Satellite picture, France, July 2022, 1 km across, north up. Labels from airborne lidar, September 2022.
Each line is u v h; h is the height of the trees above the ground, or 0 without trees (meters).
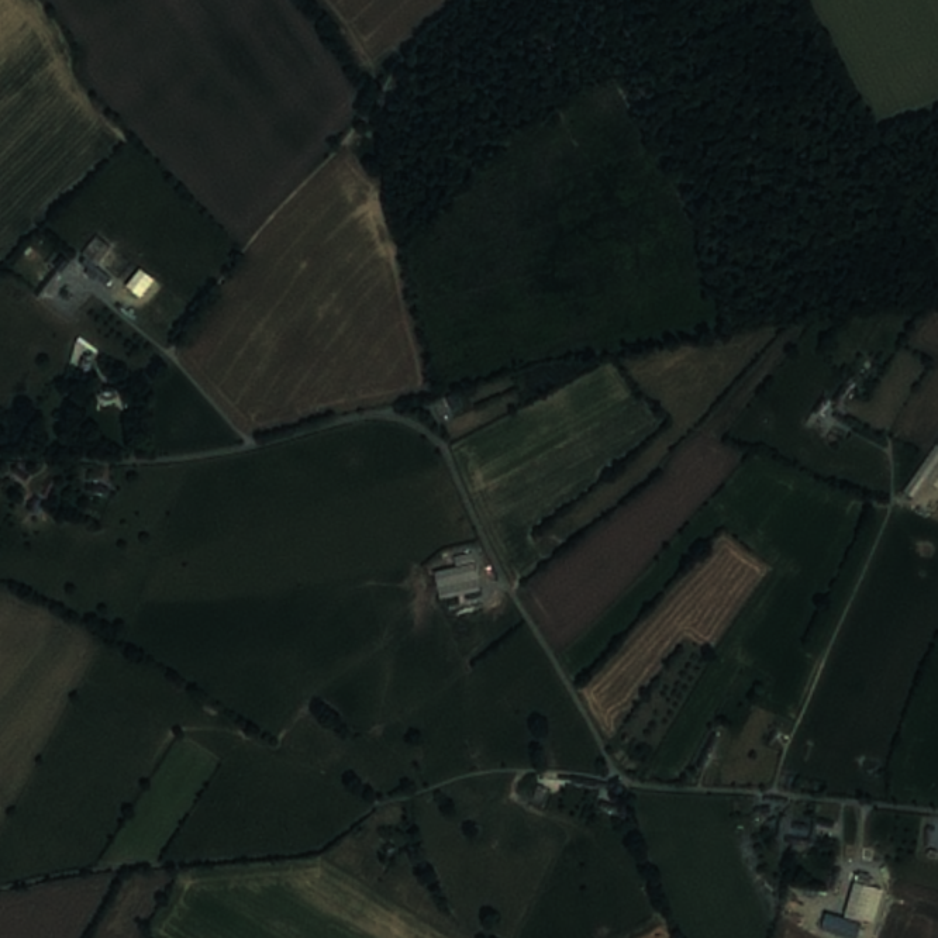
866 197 20
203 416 0
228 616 0
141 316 0
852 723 0
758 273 20
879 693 0
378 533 0
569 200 0
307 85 0
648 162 0
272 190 0
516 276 0
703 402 0
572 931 0
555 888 0
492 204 0
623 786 13
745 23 21
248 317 0
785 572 0
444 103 17
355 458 0
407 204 17
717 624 0
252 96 0
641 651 0
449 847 0
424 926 0
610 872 0
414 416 9
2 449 13
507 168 0
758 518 0
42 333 0
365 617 0
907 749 0
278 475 0
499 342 0
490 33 21
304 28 0
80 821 0
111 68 0
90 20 0
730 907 0
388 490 0
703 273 19
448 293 0
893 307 21
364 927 0
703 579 0
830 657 0
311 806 0
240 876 0
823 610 18
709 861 0
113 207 0
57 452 19
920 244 23
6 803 0
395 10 0
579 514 0
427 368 17
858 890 0
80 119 0
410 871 0
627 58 19
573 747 0
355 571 0
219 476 0
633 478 0
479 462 0
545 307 0
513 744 0
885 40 0
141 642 0
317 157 0
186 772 0
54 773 0
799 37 18
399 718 0
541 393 16
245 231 0
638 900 0
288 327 0
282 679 0
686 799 0
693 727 0
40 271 0
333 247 0
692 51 21
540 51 24
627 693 0
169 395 0
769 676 0
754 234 20
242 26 0
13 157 0
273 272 0
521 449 0
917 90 0
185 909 0
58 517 13
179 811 0
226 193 0
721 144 21
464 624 0
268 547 0
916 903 0
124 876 12
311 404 0
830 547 0
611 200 0
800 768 0
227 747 0
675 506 0
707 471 0
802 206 20
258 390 0
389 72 14
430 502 0
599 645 0
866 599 0
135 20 0
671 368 0
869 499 12
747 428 0
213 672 0
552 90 21
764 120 19
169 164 0
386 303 0
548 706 0
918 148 20
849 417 9
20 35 0
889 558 0
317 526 0
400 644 0
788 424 0
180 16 0
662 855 0
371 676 0
